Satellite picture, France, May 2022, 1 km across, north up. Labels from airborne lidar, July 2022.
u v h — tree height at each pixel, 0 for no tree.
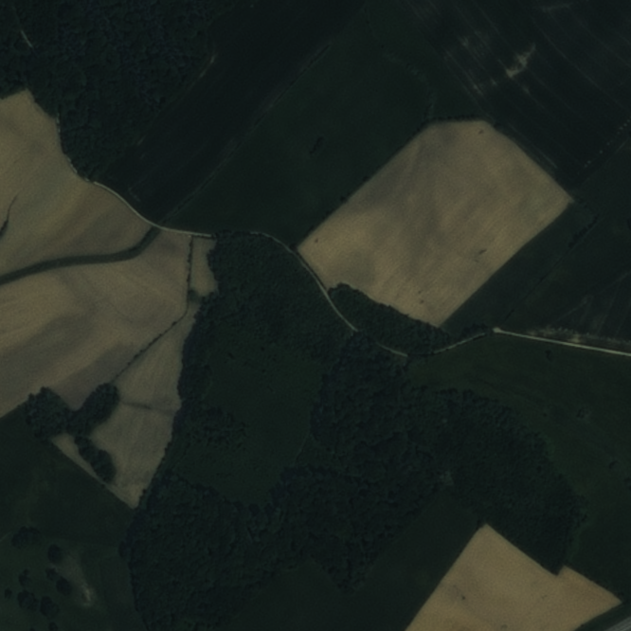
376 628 0
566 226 0
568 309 0
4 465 0
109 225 0
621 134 0
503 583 0
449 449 10
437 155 0
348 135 0
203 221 0
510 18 0
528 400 0
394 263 0
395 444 29
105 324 0
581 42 0
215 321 6
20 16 13
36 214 0
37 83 27
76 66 23
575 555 0
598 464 0
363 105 0
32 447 0
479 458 8
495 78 0
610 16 0
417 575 0
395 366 10
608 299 0
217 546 22
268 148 0
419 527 0
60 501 0
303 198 0
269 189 0
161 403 0
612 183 0
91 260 0
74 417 19
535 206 0
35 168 0
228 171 0
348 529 10
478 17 0
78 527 0
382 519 30
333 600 0
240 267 15
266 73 0
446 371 0
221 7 13
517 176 0
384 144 0
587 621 0
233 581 24
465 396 13
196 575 24
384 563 0
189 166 0
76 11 27
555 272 0
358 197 0
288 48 0
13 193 0
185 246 0
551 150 0
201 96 0
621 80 0
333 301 8
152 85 22
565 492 9
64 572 0
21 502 0
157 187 0
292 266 12
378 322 11
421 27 0
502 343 0
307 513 26
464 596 0
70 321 0
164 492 29
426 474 21
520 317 0
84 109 25
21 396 0
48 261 0
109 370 0
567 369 0
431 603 0
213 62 0
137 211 0
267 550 27
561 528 13
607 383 0
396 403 28
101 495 0
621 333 0
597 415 0
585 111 0
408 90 0
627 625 0
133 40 25
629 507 0
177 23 25
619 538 0
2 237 12
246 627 0
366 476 27
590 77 0
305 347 15
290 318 15
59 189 0
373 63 0
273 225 0
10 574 0
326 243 0
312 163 0
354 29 0
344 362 21
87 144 24
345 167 0
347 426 27
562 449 0
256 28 0
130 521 0
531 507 11
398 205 0
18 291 0
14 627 0
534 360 0
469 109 0
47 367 0
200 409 25
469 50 0
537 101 0
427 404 10
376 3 0
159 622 26
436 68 0
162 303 0
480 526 10
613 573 0
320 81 0
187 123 0
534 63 0
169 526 26
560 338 0
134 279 0
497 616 0
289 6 0
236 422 27
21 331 0
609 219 0
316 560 25
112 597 0
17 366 0
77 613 0
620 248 0
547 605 0
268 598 0
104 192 0
